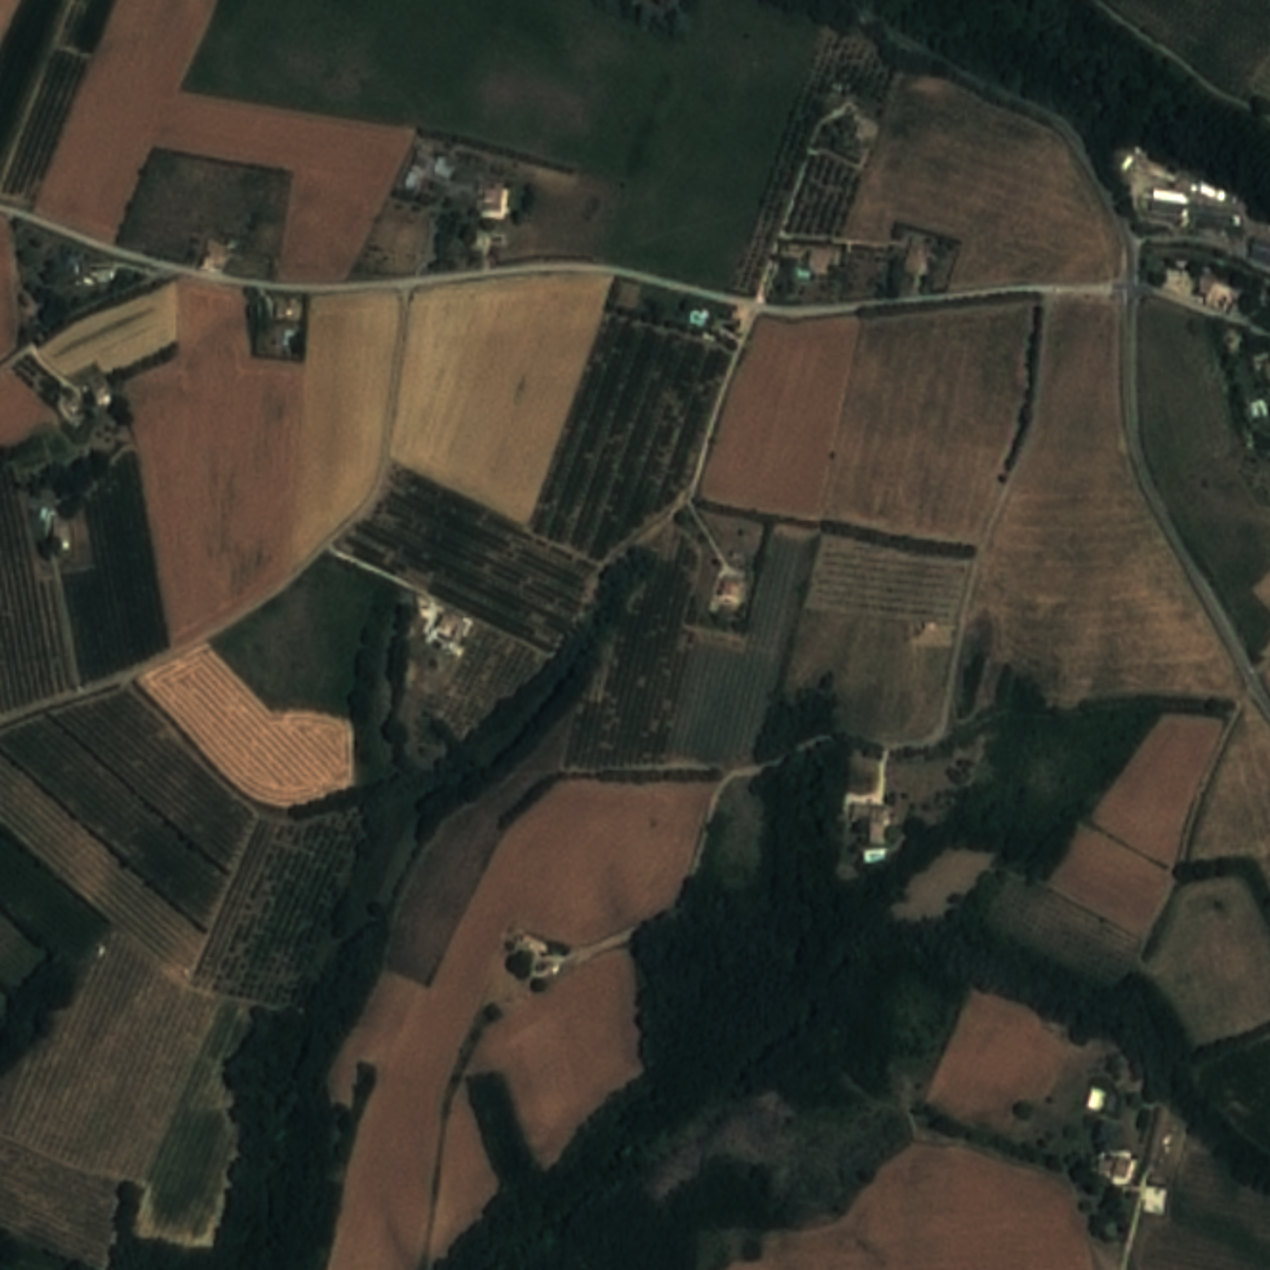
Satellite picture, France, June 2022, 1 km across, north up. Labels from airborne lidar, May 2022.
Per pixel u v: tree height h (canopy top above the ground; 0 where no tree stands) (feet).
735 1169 24
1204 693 0
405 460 0
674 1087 57
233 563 0
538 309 0
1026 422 43
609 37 0
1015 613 0
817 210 18
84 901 42
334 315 0
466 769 63
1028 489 0
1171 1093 31
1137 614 0
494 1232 61
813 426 0
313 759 0
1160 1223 0
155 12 0
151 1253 48
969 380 0
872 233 0
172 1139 0
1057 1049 0
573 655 75
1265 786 0
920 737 0
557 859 0
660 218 0
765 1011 70
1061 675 0
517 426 0
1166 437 0
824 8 47
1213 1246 0
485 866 0
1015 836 37
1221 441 0
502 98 0
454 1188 0
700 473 0
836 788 65
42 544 32
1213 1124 30
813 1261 0
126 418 41
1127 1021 67
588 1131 33
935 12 43
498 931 0
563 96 0
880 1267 0
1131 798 0
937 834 48
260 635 0
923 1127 0
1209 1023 0
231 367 0
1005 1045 0
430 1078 0
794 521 32
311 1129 37
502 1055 0
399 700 23
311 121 0
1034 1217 0
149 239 0
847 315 0
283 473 0
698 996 68
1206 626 0
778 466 0
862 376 0
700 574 0
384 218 0
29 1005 68
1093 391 0
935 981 39
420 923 0
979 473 0
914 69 53
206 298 0
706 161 0
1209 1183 0
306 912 20
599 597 44
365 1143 0
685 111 0
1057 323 0
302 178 0
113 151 0
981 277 0
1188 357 0
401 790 62
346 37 0
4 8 0
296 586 0
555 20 0
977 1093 0
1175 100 22
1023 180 0
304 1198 22
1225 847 0
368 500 0
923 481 0
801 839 66
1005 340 0
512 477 0
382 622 23
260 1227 38
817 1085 33
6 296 0
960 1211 0
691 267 0
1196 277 24
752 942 60
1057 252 0
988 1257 0
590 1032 0
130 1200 48
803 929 60
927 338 0
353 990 51
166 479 0
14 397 0
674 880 0
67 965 59
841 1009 56
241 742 0
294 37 0
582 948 0
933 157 0
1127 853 0
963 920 53
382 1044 0
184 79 0
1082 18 33
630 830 0
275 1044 48
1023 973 68
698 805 0
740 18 0
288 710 0
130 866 47
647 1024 65
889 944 66
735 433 0
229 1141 0
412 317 0
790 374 0
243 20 0
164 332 0
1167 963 0
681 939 61
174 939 0
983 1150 0
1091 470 0
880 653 0
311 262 0
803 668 0
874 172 0
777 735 44
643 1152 79
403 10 0
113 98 0
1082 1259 0
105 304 26
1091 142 49
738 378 0
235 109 0
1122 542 0
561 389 0
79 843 0
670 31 25
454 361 0
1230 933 0
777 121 0
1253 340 28
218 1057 0
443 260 20
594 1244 41
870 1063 29
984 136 0
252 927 18
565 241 0
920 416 0
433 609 0
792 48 0
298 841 18
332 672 0
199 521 0
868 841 23
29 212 0
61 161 0
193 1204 0
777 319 0
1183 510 0
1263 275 19
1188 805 0
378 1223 0
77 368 0
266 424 0
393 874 0
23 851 45
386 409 0
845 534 33
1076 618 0
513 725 56
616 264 0
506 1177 27
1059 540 0
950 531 0
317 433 0
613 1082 0
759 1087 45
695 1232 30
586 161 0
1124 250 0
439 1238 0
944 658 0
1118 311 0
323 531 0
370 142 0
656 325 26
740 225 0
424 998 0
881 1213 0
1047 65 40
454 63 0
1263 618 0
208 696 0
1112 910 0
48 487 52
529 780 0
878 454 0
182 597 0
